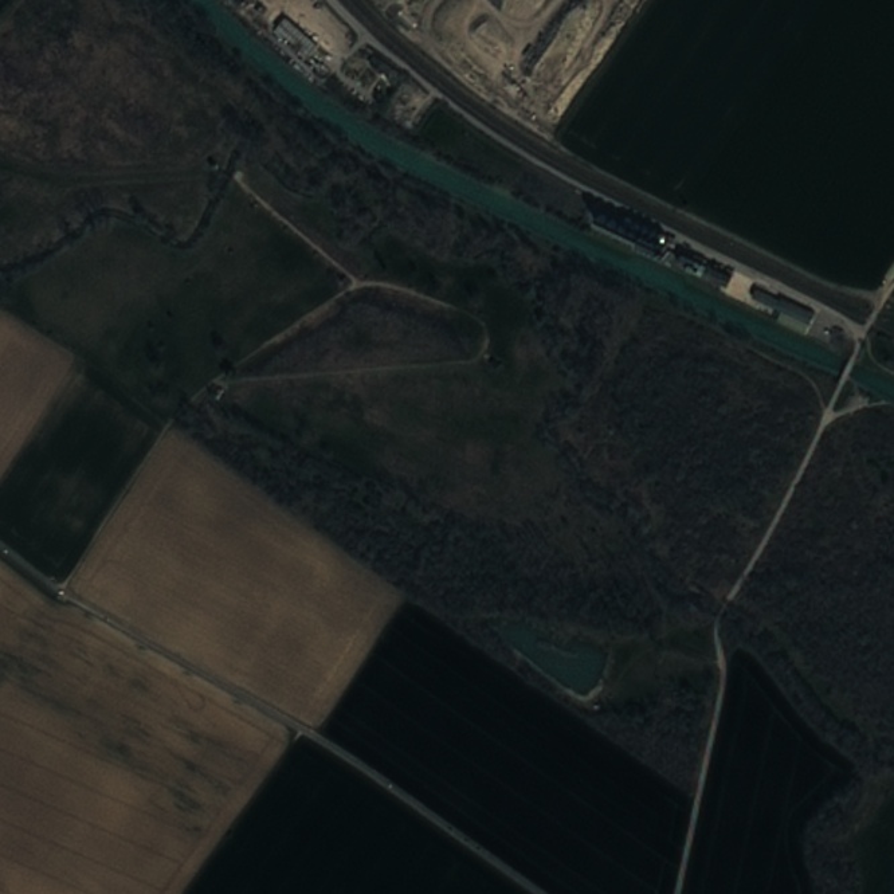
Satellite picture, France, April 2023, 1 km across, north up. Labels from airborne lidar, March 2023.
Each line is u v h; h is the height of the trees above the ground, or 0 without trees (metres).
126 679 0
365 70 0
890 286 0
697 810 0
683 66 0
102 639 0
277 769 0
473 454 0
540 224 0
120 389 0
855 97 0
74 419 0
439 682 0
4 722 0
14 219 0
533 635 0
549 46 0
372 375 0
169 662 0
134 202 0
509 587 11
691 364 8
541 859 0
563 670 0
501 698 0
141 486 0
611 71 0
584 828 0
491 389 0
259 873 0
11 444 0
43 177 0
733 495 21
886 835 0
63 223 0
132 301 0
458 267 0
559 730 0
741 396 0
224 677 0
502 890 0
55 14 0
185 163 0
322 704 0
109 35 0
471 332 0
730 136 0
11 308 0
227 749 0
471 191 0
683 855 0
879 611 9
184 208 0
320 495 11
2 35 0
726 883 0
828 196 0
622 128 0
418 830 0
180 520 0
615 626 28
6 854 0
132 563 0
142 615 0
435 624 0
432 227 40
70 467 0
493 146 0
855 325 0
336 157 14
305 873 0
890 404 0
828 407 0
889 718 9
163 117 0
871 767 22
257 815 0
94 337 0
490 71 0
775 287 0
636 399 8
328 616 0
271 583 0
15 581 0
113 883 0
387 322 0
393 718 0
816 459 0
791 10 0
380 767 0
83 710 0
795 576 15
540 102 0
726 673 0
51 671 0
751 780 0
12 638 0
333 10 0
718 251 0
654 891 0
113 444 0
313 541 0
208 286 0
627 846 0
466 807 0
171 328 0
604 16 0
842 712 0
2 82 0
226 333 0
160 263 0
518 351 0
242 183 0
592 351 15
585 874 0
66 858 0
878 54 0
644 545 18
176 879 0
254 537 0
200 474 0
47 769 0
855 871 15
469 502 0
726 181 0
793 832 0
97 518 0
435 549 8
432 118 0
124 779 0
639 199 0
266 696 0
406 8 0
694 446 17
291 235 0
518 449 0
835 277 0
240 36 0
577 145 0
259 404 0
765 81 0
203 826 0
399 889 0
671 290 0
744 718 0
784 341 0
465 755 0
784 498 0
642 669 0
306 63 0
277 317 0
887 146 0
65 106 0
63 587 0
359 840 0
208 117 0
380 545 7
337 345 0
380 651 0
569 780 0
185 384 0
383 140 0
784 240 0
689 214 0
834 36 0
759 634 16
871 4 0
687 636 0
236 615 0
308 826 0
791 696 7
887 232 0
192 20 14
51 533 0
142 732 0
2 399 0
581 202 0
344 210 32
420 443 0
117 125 0
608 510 30
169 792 0
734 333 15
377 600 0
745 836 0
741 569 0
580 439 0
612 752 0
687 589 14
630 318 40
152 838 0
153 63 0
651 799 0
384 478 0
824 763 0
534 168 0
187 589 0
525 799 0
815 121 0
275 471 7
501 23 0
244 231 0
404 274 0
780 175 0
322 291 0
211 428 26
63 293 0
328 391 0
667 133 0
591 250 0
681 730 15
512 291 0
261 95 22
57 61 0
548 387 0
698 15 0
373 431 0
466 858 0
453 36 0
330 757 0
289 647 0
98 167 0
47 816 0
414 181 7
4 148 0
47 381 0
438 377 0
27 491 0
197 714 0
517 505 0
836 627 14
